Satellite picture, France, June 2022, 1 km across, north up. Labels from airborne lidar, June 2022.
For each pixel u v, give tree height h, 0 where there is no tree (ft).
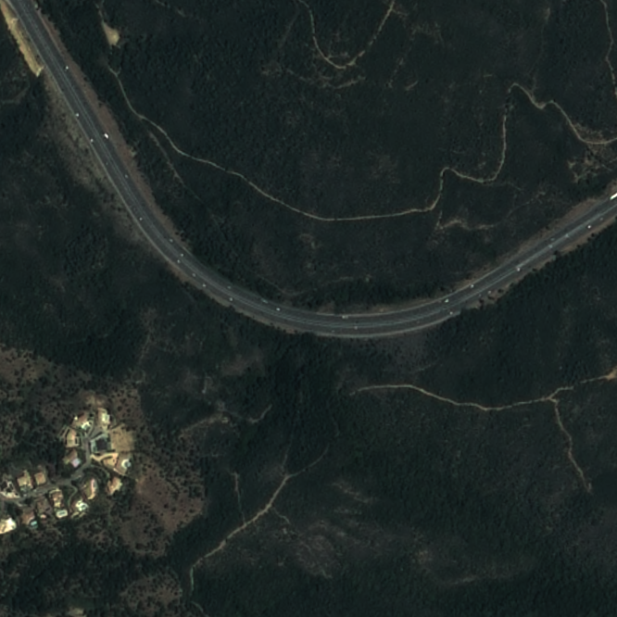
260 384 44
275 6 35
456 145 31
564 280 21
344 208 23
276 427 31
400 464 24
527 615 37
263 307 0
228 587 22
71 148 0
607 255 20
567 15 22
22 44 0
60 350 28
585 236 0
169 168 21
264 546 18
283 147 26
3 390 23
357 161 21
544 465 31
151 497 0
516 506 37
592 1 19
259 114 27
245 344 21
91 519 19
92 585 30
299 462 20
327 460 22
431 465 22
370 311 32
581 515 22
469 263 24
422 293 23
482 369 30
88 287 24
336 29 21
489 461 20
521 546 33
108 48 24
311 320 0
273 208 27
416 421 23
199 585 36
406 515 25
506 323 25
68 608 19
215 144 26
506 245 21
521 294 63
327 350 37
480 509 34
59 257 41
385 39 26
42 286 25
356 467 37
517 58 24
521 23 21
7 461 25
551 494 32
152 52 29
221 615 25
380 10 25
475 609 37
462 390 18
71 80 0
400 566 33
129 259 24
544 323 18
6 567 28
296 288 25
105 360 35
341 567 25
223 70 23
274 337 29
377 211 22
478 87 26
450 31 34
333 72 20
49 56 0
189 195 33
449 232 19
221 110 27
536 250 0
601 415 26
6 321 30
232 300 0
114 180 0
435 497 40
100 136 0
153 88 28
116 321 21
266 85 27
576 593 42
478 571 20
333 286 29
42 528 26
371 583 26
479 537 25
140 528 0
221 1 26
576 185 30
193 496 38
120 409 25
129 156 0
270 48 17
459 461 39
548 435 22
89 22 51
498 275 0
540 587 30
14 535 32
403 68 20
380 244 28
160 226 0
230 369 0
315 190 30
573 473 24
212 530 21
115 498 26
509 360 28
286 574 17
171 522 0
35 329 24
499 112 20
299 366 41
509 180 29
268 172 23
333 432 29
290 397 44
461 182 29
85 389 26
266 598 35
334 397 18
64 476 20
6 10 0
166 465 23
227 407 25
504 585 28
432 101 31
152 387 29
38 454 22
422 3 25
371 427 33
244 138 34
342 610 21
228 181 23
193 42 24
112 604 30
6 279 23
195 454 43
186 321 26
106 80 35
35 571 39
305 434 24
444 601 18
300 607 23
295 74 18
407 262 23
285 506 18
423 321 0
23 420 28
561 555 40
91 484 0
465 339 35
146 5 24
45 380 39
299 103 24
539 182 31
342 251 27
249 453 19
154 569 41
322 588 30
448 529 28
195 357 22
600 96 26
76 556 21
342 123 21
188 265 0
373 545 22
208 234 26
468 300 0
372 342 35
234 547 17
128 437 0
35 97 30
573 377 32
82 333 33
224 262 24
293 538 33
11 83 24
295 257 28
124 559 22
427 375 25
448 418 22
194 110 31
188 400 30
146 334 22
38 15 0
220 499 27
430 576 22
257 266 18
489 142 26
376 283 32
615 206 0
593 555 26
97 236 30
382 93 27
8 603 35
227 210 32
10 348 33
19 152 21
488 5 24
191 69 26
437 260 29
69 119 0
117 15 28
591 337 22
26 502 32
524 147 23
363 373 27
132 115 22
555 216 26
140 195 0
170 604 29
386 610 23
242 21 31
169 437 31
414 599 23
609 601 28
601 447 26
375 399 18
